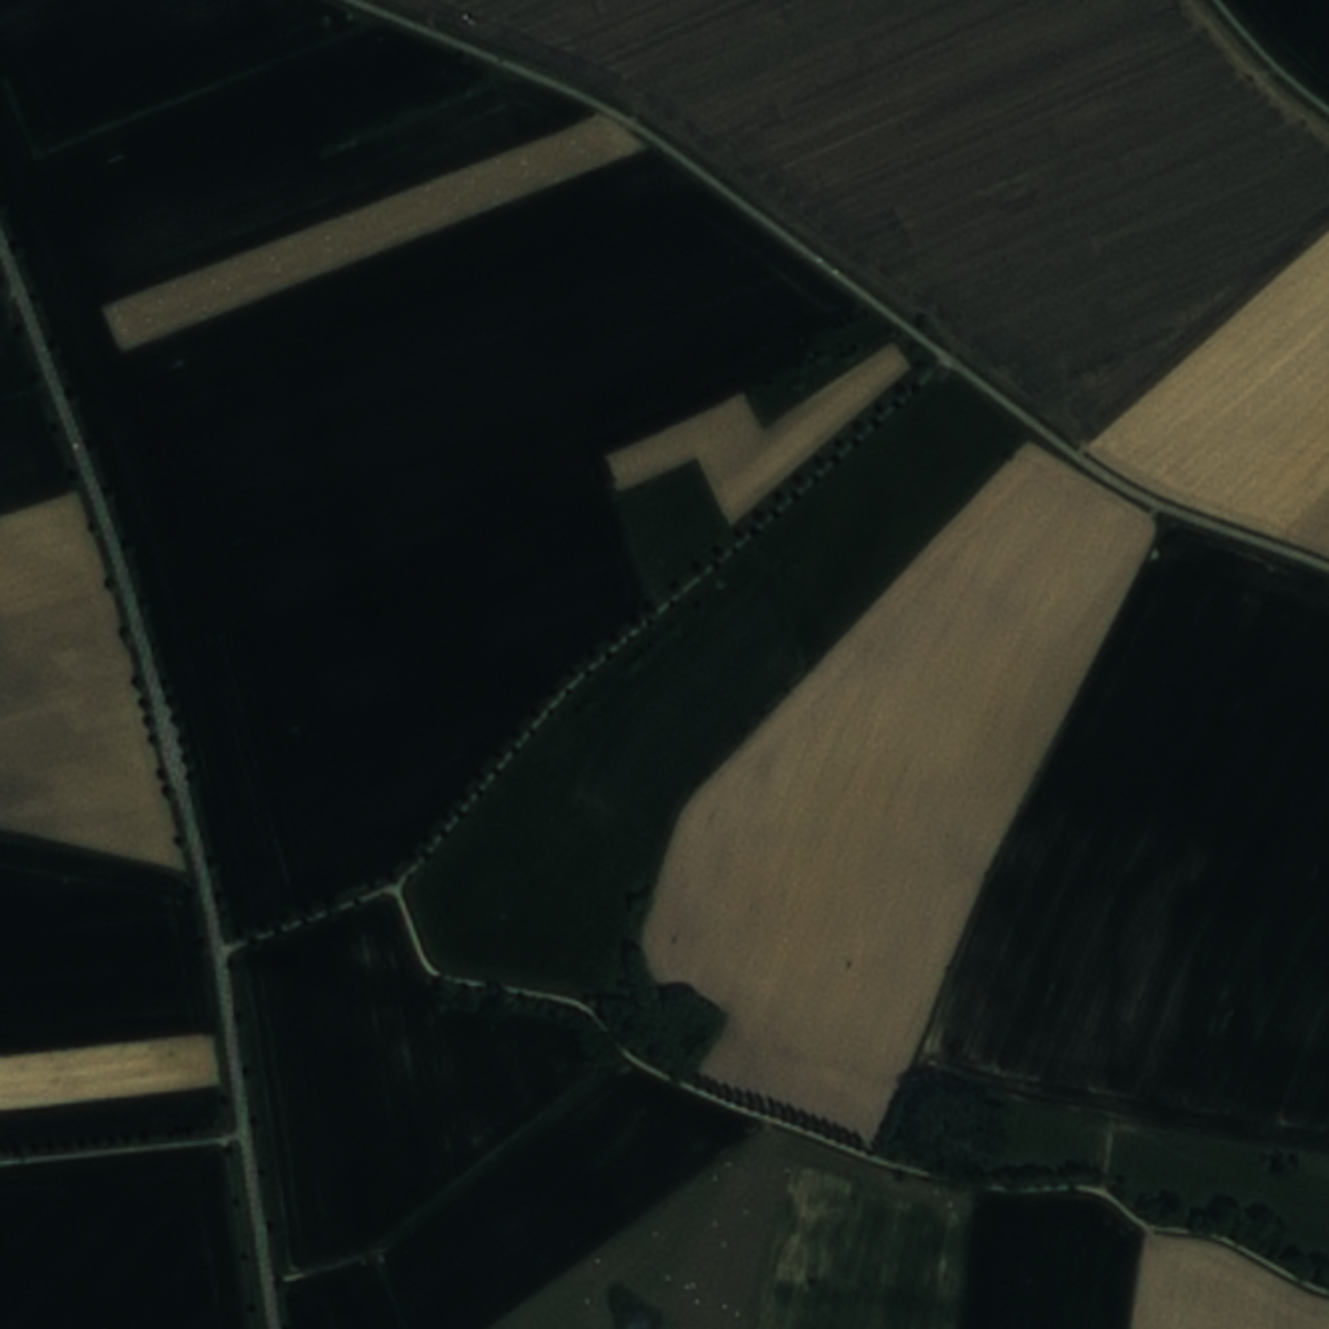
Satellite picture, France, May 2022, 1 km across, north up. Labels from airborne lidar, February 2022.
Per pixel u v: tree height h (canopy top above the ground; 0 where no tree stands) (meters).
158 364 0
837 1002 0
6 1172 0
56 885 0
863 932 0
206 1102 0
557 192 0
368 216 0
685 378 0
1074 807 0
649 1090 0
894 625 0
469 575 0
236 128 0
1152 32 0
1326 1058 0
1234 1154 0
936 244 0
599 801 0
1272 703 0
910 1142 24
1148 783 0
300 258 0
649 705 0
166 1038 0
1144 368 0
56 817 0
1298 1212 0
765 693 0
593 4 0
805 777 0
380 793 0
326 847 0
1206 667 0
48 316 0
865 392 0
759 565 0
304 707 0
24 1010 0
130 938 0
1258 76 0
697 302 0
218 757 0
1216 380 0
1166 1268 0
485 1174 0
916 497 0
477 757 0
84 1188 0
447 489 0
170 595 0
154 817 0
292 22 0
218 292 0
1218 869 0
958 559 0
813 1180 0
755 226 0
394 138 0
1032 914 0
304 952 0
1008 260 0
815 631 0
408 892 0
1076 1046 0
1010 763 0
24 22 0
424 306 0
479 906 0
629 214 0
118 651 0
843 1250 0
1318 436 0
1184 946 0
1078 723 0
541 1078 0
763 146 0
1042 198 0
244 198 0
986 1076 0
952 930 0
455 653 0
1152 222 0
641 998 20
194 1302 0
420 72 0
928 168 0
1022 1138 0
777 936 0
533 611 0
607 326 0
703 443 0
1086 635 0
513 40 0
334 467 0
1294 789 0
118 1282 0
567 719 0
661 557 0
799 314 0
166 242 0
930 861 0
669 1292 0
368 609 0
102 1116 0
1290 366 0
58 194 0
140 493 0
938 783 0
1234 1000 0
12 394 0
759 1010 0
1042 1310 0
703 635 0
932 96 0
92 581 0
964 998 0
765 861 0
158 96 0
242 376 0
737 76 0
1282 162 0
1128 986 0
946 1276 0
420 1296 0
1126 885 0
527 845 0
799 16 0
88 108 0
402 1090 0
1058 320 0
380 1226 0
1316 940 0
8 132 0
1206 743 0
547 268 0
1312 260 0
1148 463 0
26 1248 0
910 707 0
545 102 0
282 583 0
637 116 0
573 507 0
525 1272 0
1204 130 0
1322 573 0
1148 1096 0
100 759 0
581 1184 0
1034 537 0
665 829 0
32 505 0
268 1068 0
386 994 0
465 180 0
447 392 0
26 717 0
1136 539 0
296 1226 0
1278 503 0
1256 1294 0
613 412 0
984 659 0
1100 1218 0
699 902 0
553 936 0
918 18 0
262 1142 0
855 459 0
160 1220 0
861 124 0
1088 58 0
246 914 0
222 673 0
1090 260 0
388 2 0
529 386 0
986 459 0
